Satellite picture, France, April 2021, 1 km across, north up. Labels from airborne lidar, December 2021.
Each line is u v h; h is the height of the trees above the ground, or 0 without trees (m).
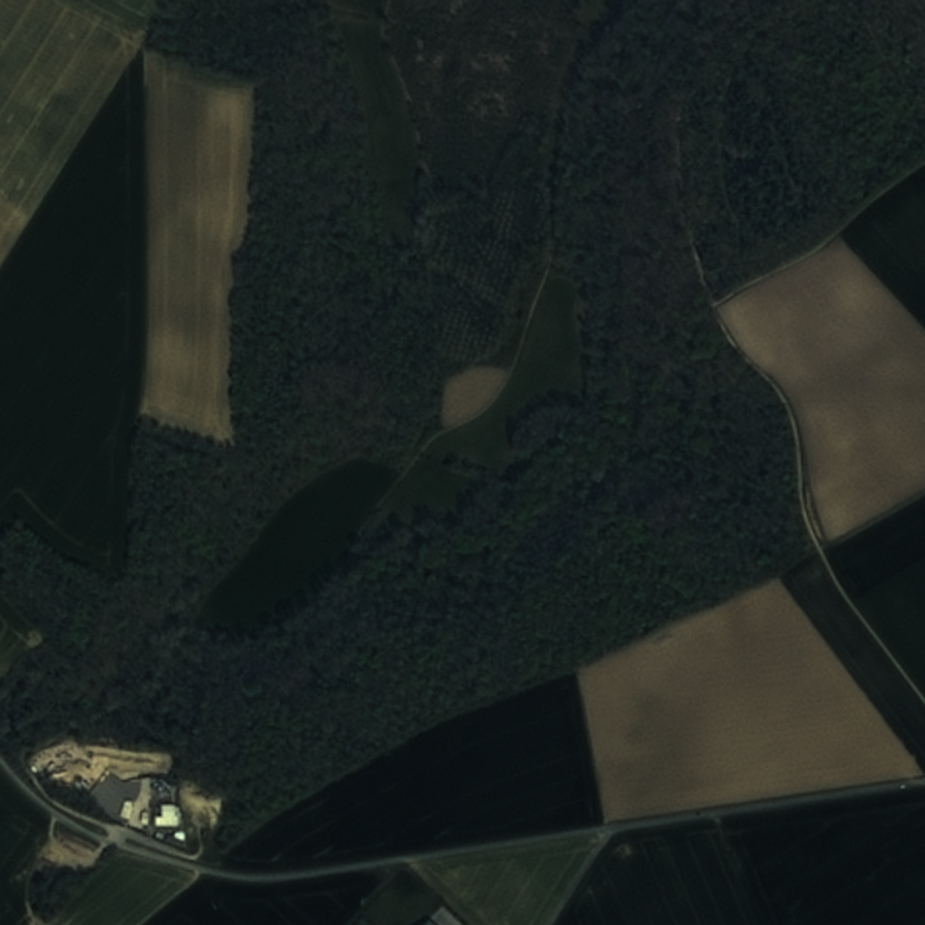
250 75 21
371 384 27
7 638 0
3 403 0
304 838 0
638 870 0
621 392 30
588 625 20
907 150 14
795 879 0
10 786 0
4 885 0
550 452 20
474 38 8
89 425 0
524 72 6
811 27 9
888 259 0
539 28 9
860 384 0
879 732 0
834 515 0
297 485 17
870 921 0
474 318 21
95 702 6
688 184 19
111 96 0
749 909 0
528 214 21
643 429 31
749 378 15
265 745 20
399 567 23
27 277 0
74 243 0
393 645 22
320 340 25
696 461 31
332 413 19
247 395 18
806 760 0
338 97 24
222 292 0
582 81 24
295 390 20
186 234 0
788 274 0
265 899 0
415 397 29
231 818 15
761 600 0
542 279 0
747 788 0
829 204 17
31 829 0
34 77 0
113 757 0
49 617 17
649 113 19
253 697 15
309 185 14
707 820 0
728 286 21
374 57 0
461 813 0
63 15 0
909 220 0
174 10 20
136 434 13
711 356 18
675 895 0
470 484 0
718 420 14
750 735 0
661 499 33
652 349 24
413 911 0
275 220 14
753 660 0
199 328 0
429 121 9
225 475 10
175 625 27
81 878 12
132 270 0
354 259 22
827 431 0
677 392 20
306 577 0
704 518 25
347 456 18
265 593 0
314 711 21
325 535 0
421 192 19
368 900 0
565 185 22
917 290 0
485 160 7
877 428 0
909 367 0
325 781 18
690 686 0
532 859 0
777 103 23
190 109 0
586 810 0
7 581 16
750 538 21
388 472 0
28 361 0
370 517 7
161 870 0
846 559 0
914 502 0
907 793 0
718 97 14
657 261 22
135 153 0
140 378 0
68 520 0
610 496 26
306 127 26
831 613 0
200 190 0
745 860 0
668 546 20
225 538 23
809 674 0
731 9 27
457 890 0
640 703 0
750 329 0
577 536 23
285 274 18
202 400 0
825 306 0
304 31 21
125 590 17
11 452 0
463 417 0
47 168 0
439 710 21
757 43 20
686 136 18
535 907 0
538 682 14
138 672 22
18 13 0
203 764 18
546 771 0
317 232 23
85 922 0
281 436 19
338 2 0
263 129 14
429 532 25
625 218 25
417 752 0
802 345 0
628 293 28
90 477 0
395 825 0
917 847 0
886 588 0
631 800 0
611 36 22
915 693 0
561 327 0
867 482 0
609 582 22
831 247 0
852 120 15
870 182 18
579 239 23
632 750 0
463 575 27
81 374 0
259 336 18
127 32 0
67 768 0
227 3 23
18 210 0
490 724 0
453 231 23
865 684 0
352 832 0
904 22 12
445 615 21
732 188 18
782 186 12
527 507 28
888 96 16
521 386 0
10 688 14
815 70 12
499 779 0
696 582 21
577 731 0
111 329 0
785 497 17
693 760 0
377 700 19
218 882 0
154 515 16
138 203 0
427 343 21
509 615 19
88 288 0
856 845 0
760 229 19
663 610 16
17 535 13
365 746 15
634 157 24
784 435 19
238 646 26
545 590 21
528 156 15
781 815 0
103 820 15
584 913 0
